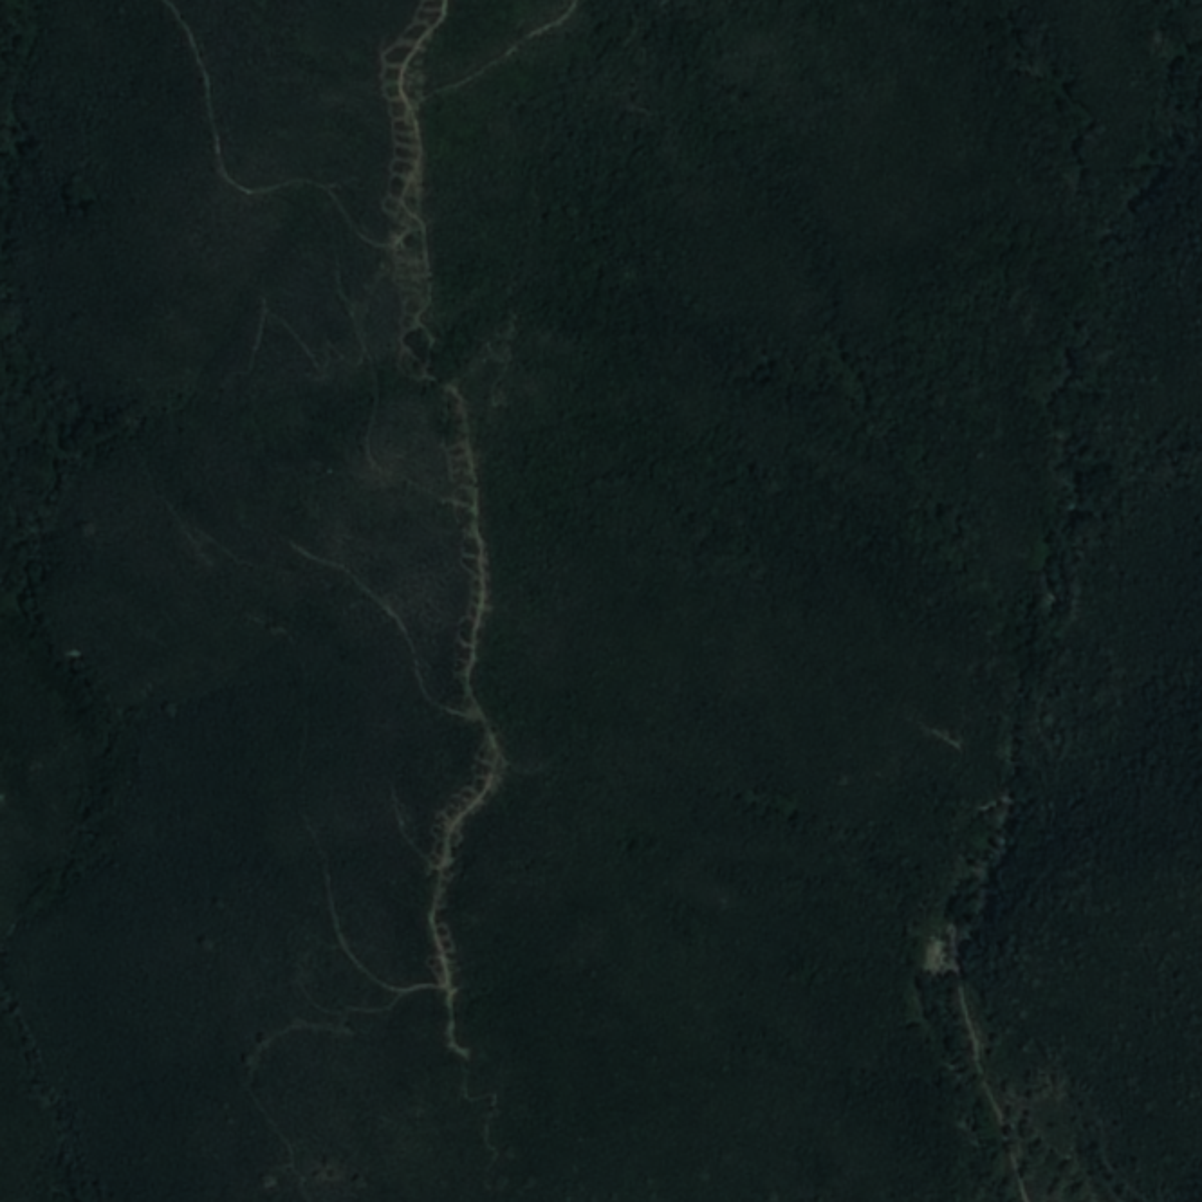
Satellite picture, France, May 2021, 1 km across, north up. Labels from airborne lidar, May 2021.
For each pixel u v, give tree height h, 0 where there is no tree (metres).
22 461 18
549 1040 6
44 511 20
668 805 7
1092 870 9
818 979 14
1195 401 6
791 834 9
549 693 6
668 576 7
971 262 10
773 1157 6
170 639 6
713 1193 8
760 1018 6
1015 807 13
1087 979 7
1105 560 8
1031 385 20
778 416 8
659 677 7
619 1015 6
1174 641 7
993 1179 17
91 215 20
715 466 11
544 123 7
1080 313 17
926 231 8
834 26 8
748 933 7
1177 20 18
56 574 15
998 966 13
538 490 7
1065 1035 6
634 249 9
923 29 11
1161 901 6
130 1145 6
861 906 6
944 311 11
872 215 6
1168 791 9
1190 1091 7
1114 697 10
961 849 8
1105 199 13
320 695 7
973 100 9
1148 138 9
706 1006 6
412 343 6
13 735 6
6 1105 6
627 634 5
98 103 8
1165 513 9
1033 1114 10
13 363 13
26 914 8
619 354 9
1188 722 8
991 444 7
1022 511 7
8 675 7
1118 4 9
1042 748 18
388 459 0
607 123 6
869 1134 8
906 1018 12
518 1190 9
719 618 6
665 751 8
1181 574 8
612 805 7
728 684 8
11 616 9
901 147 6
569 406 7
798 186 8
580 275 7
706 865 8
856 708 6
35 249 6
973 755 6
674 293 10
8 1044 8
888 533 13
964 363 12
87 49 6
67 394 11
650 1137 6
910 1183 7
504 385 6
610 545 7
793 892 8
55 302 6
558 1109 5
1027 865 17
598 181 9
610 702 7
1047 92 21
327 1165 9
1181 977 14
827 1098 9
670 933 9
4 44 8
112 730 22
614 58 6
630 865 9
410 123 0
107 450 7
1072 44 8
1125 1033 8
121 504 5
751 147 9
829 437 12
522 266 7
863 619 7
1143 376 11
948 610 11
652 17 7
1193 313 7
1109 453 16
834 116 8
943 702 6
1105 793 10
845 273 9
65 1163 11
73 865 17
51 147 7
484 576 0
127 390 6
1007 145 7
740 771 9
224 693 6
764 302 7
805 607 7
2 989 15
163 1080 6
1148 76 10
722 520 11
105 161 8
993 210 9
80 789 10
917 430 14
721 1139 7
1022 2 8
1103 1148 15
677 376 7
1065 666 7
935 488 20
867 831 8
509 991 6
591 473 7
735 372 16
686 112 7
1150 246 12
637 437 10
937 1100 25
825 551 9
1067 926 8
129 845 6
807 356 18
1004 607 19
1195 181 19
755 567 10
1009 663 17
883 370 11
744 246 6
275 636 7
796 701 6
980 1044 0
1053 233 10
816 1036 8
